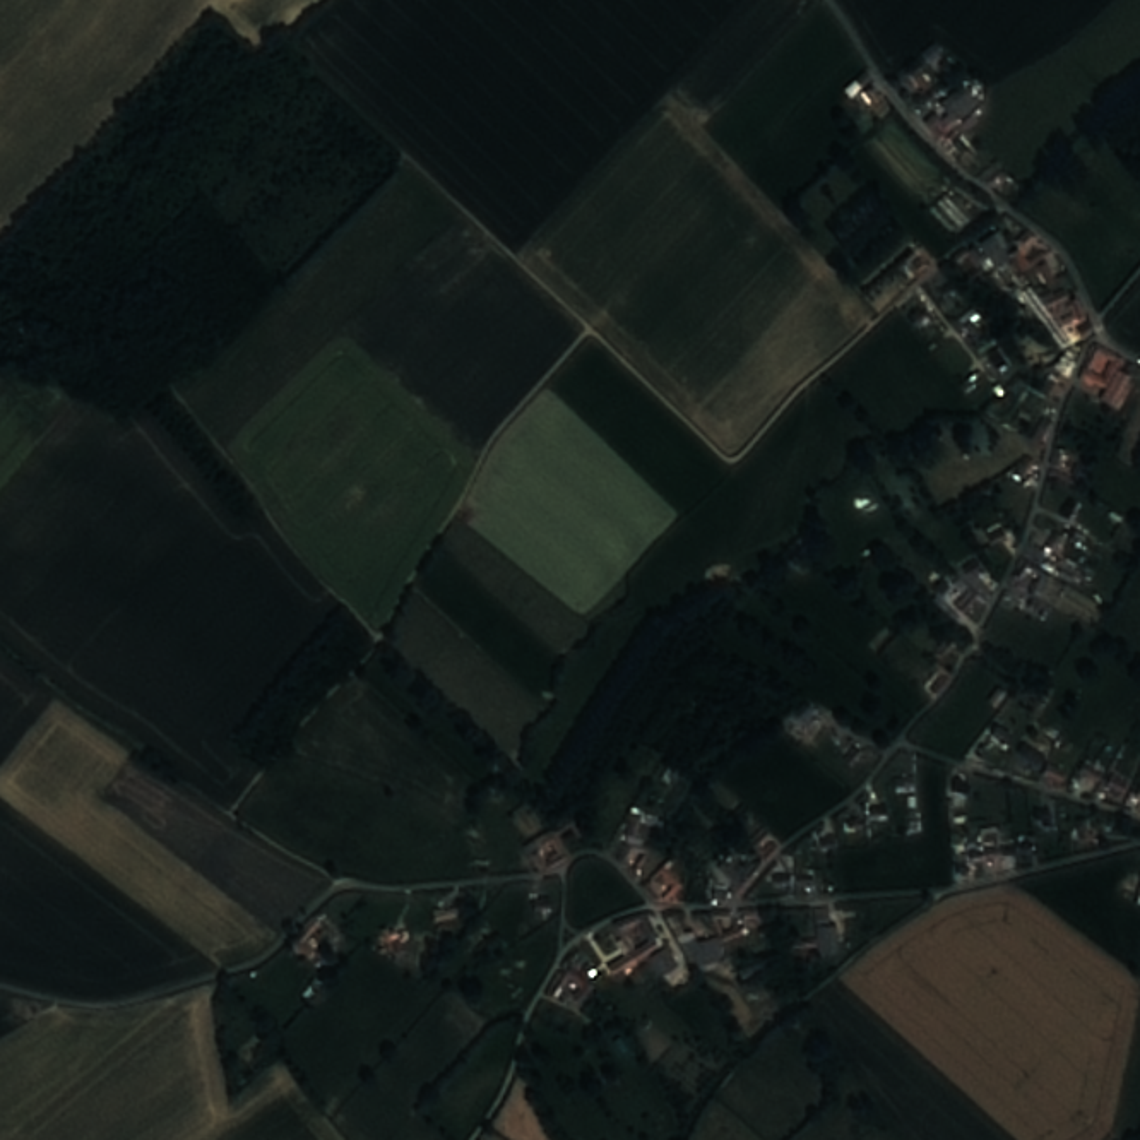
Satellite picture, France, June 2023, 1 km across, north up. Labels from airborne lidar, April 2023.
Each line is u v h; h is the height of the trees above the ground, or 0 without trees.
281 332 0
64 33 0
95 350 16
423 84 0
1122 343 0
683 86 0
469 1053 6
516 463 0
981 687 0
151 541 0
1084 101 0
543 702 0
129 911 0
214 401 0
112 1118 0
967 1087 0
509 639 0
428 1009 0
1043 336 12
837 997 0
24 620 0
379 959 0
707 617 15
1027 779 0
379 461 0
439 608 0
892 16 0
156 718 0
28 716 0
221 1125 0
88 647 0
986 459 0
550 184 0
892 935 0
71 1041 0
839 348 0
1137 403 0
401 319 0
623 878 0
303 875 0
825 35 0
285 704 14
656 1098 0
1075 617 0
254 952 0
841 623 0
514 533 0
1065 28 0
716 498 0
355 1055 0
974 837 0
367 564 0
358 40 0
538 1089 9
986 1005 0
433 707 26
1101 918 0
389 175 8
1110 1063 0
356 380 0
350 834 0
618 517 0
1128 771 0
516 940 0
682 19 0
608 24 0
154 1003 0
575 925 0
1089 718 0
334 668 12
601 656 0
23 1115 0
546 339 0
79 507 0
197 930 0
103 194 6
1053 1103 0
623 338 0
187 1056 0
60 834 0
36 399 0
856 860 0
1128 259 0
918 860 0
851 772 0
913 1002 0
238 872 0
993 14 0
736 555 0
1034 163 0
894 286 0
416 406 0
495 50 0
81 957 0
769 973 9
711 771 10
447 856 0
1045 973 0
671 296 0
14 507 0
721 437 0
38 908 0
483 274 0
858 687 0
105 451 0
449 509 0
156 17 0
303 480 0
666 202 0
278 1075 0
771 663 0
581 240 0
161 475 0
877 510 0
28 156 0
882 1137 0
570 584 0
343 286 0
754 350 0
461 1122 0
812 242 0
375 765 0
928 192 0
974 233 11
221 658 0
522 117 0
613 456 0
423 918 0
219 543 0
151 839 0
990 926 0
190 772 0
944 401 0
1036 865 0
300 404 0
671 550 0
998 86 0
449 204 0
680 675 14
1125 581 6
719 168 0
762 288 0
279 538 0
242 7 0
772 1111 0
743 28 0
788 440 0
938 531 0
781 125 0
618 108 0
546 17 0
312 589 0
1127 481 0
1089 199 0
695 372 0
